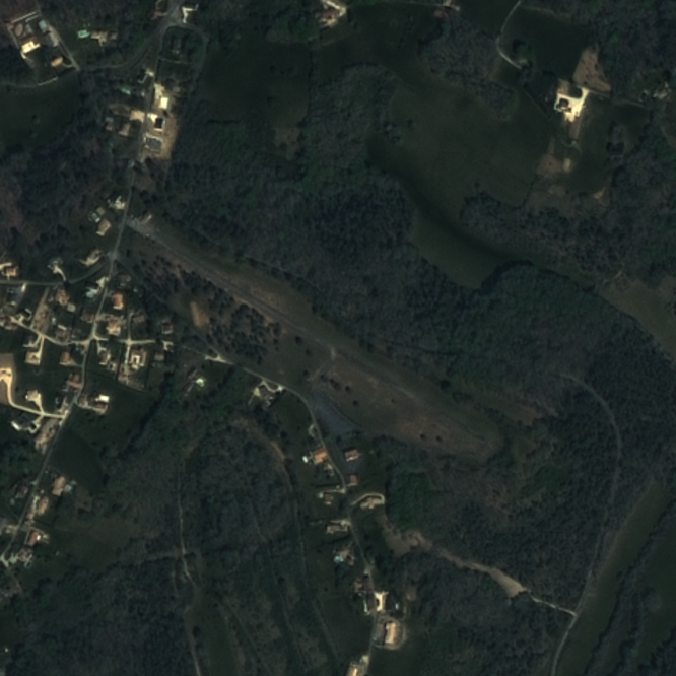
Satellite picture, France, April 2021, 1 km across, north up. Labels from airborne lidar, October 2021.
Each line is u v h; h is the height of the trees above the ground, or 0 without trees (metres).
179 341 10
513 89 0
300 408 0
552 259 13
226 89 0
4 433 0
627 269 16
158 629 22
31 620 10
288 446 13
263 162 6
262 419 21
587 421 24
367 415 0
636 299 0
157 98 0
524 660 13
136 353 0
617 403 19
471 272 0
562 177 0
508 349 27
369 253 21
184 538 7
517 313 22
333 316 19
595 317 26
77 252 6
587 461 18
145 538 13
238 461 19
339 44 0
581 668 0
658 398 16
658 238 22
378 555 0
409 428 0
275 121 0
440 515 22
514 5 0
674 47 0
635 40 22
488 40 21
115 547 0
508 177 0
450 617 18
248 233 14
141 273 12
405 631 0
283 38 12
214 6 13
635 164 19
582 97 0
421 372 23
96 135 21
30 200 24
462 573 21
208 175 20
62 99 0
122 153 15
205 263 0
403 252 24
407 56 0
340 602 0
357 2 17
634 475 18
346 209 12
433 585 15
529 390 20
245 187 17
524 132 0
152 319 19
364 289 24
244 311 11
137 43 19
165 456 22
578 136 0
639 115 0
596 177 0
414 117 0
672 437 17
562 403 13
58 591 14
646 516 0
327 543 9
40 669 23
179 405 20
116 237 0
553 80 12
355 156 29
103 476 0
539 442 17
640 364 21
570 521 8
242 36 8
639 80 19
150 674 23
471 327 25
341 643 0
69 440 0
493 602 24
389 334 15
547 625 16
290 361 0
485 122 0
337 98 14
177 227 15
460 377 21
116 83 9
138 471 24
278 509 11
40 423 0
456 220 0
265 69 0
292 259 17
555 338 20
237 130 16
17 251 14
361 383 0
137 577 15
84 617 14
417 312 17
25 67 18
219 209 22
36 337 0
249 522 21
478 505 11
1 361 0
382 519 0
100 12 9
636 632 12
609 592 0
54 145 9
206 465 8
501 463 8
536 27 0
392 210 18
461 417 0
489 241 11
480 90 15
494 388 21
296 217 8
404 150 0
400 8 0
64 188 16
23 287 0
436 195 0
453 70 18
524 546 11
